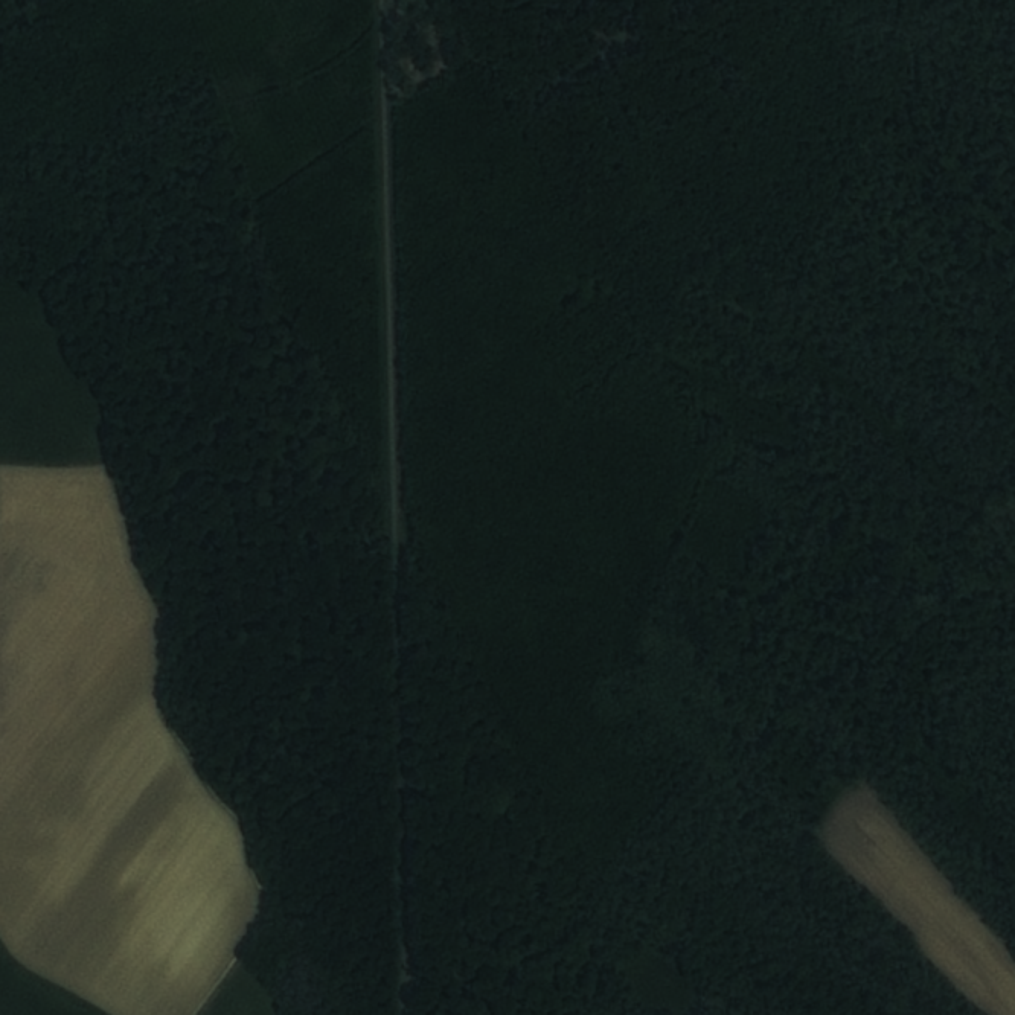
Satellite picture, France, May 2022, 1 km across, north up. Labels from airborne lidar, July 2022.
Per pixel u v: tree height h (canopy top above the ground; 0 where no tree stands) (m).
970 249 28
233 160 21
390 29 21
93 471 0
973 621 25
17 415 0
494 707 17
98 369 27
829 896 27
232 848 0
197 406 30
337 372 11
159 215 19
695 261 25
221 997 0
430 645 28
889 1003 29
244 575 31
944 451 29
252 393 29
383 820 27
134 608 0
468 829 31
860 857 0
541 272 14
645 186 19
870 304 24
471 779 28
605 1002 23
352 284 8
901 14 26
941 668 25
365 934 18
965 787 29
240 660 28
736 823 19
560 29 25
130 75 16
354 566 26
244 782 24
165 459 27
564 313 15
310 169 7
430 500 15
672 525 14
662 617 25
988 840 8
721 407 8
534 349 15
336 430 24
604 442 18
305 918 18
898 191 26
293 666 29
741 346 20
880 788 24
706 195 22
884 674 21
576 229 15
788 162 20
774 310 26
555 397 15
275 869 20
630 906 21
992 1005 0
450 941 29
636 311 21
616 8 26
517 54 25
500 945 30
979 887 22
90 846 0
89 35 14
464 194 10
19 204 16
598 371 9
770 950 25
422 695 26
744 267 23
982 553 27
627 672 22
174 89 15
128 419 28
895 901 0
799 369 21
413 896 29
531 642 18
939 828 25
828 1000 23
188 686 25
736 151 19
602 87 28
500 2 25
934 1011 26
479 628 17
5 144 18
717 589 28
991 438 29
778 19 23
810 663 12
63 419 0
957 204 28
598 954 20
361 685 30
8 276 19
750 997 17
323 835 28
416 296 15
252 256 24
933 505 27
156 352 23
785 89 21
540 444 16
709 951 22
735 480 23
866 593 27
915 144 12
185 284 30
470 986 29
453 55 28
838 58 21
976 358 9
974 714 21
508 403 14
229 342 26
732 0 23
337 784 28
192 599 28
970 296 15
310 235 9
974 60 26
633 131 17
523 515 17
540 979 25
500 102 9
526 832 30
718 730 26
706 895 25
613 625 17
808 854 28
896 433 7
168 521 27
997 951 0
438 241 12
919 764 22
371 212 7
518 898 23
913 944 17
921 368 22
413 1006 30
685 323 20
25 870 0
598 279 16
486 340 13
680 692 23
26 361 0
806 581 18
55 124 17
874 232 18
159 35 14
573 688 18
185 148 25
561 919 27
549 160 19
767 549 27
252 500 33
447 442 15
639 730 18
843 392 8
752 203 22
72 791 0
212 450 28
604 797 18
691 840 28
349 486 27
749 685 22
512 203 11
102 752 0
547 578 18
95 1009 0
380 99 0
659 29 27
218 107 20
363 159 9
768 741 33
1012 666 17
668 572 24
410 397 12
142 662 0
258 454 31
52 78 24
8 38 24
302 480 30
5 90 17
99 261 22
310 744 25
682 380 14
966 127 25
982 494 19
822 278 28
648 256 21
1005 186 28
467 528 16
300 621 28
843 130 20
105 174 24
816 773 10
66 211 17
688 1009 0
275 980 18
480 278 13
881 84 24
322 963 21
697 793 22
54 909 0
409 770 26
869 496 28
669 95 22
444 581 15
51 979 0
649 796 15
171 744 0
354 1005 23
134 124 22
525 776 19
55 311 26
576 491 16
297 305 9
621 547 15
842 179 9
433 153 11
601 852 18
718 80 18
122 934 0
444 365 16
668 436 16
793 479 24
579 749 16
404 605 25
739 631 23
